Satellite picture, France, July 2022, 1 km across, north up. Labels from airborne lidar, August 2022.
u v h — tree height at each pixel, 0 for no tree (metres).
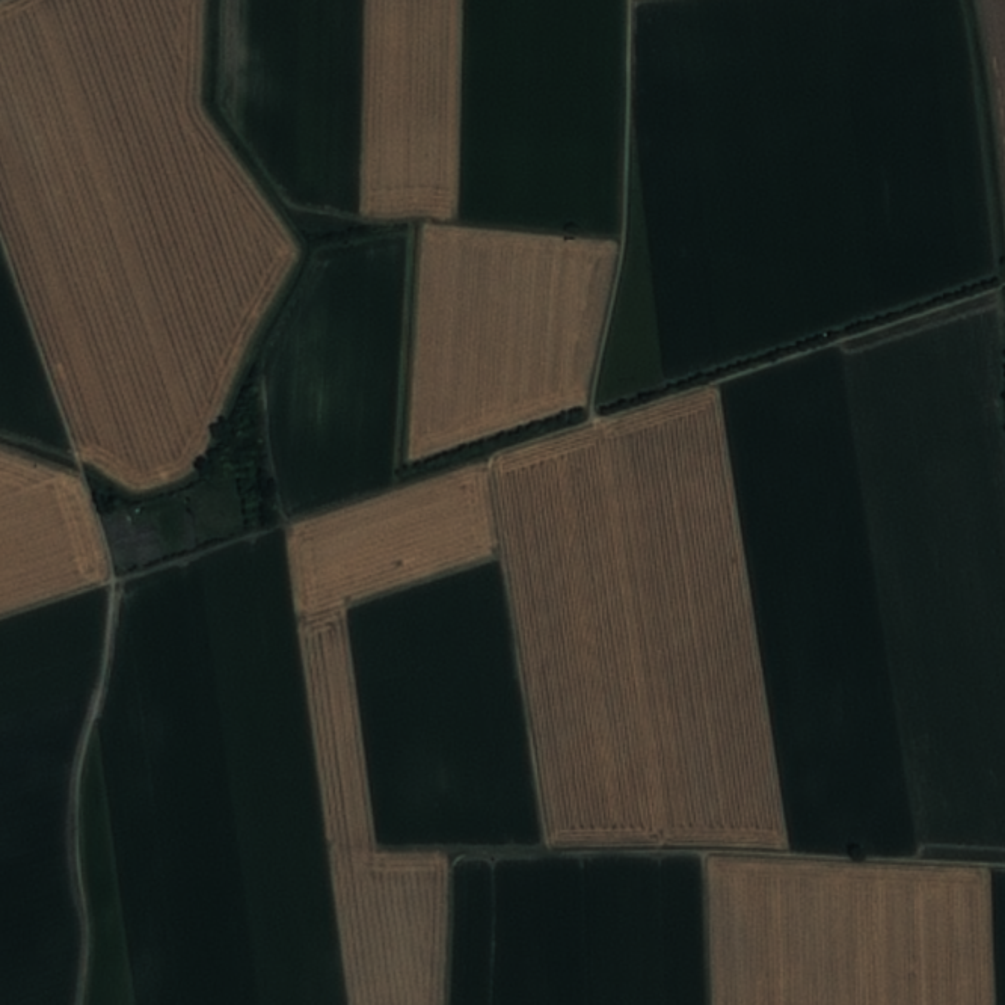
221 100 0
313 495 0
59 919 0
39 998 0
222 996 0
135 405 0
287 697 0
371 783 0
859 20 0
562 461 0
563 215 0
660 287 0
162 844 0
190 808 0
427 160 0
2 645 0
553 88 0
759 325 0
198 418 0
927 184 0
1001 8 0
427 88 0
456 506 0
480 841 0
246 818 0
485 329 0
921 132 0
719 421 0
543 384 0
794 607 0
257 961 0
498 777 0
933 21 0
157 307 0
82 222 0
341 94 0
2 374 0
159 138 0
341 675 0
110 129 0
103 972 0
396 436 0
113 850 0
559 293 0
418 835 0
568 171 0
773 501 0
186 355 0
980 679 0
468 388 0
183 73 0
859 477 0
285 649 0
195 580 0
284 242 0
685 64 0
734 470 0
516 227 0
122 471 0
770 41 0
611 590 0
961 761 0
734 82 0
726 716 0
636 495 0
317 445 0
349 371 0
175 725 0
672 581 0
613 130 0
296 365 0
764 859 0
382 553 0
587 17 0
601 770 0
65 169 0
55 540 0
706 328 0
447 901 0
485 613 0
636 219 0
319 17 0
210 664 0
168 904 0
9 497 0
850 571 0
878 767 0
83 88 0
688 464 0
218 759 0
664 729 0
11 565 0
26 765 0
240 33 0
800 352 8
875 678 0
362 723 0
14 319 0
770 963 0
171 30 0
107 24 0
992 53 0
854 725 0
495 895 0
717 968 0
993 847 0
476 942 0
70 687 0
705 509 0
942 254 0
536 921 0
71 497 0
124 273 0
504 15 0
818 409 0
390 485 0
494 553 0
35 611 0
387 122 0
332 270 0
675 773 0
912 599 0
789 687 0
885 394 0
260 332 0
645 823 0
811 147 0
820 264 0
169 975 0
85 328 0
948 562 0
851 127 0
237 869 0
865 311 0
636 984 0
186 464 0
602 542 0
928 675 0
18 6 0
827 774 0
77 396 0
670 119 0
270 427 0
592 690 0
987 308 0
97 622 0
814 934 0
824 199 0
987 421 0
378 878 0
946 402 0
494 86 0
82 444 0
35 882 0
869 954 0
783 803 0
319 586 0
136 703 0
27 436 0
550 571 0
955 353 0
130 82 0
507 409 0
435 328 0
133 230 0
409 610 0
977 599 0
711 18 0
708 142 0
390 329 0
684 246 0
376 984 0
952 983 0
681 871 0
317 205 0
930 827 0
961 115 0
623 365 0
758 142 0
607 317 0
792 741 0
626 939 0
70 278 0
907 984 0
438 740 0
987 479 0
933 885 0
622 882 0
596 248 0
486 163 0
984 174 0
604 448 0
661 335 0
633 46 0
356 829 0
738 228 0
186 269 0
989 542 0
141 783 0
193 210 0
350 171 0
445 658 0
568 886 0
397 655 0
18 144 0
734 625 0
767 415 0
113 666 0
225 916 0
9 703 0
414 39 0
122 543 0
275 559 0
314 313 0
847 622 0
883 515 0
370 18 0
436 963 0
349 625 0
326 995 0
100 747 0
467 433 0
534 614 0
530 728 0
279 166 0
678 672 0
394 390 0
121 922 0
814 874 0
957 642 0
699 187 0
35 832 0
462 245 0
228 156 0
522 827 0
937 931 0
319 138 0
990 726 0
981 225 0
